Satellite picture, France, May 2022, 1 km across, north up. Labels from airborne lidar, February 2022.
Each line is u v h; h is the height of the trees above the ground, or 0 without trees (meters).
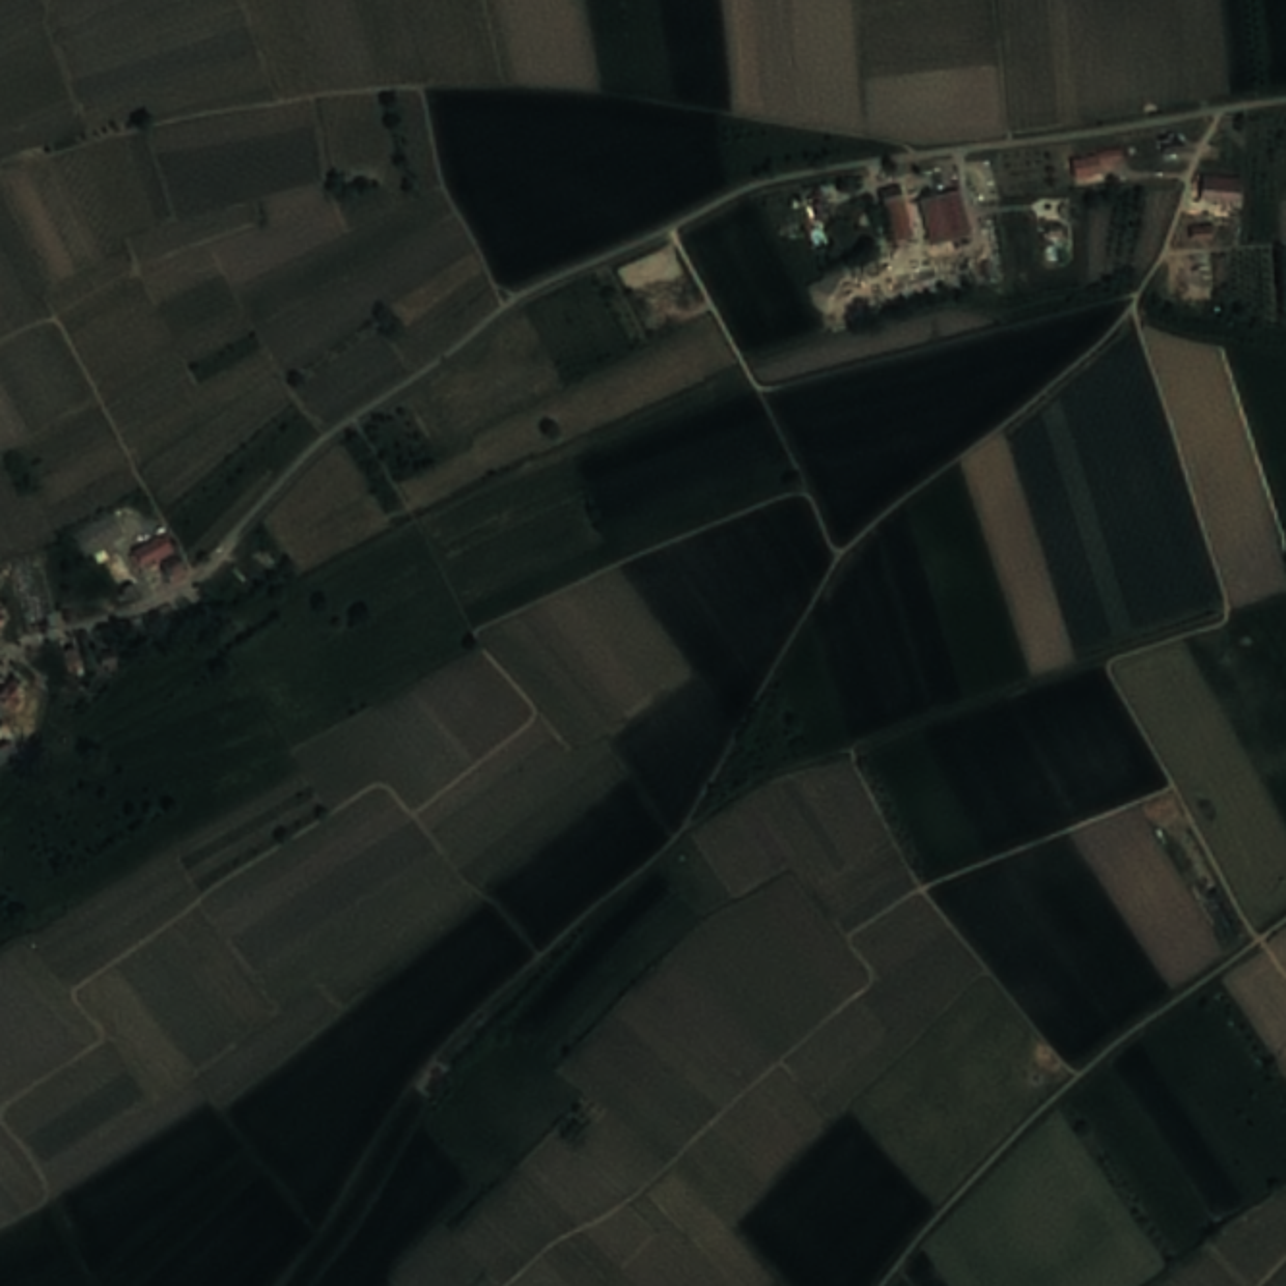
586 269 0
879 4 0
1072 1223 0
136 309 0
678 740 0
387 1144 0
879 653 0
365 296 0
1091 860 0
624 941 0
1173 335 0
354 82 0
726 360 0
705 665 0
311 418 0
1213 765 0
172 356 0
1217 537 0
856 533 0
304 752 0
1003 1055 0
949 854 0
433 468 9
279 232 0
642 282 0
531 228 0
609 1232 0
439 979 0
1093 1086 0
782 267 0
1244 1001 0
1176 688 0
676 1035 0
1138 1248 0
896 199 0
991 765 0
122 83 0
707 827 0
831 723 0
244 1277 0
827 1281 0
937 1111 0
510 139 0
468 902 0
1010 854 0
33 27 0
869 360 0
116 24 0
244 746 0
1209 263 0
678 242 0
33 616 0
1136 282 12
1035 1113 0
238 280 0
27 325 0
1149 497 0
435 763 0
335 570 0
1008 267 0
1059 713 0
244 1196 0
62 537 6
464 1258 0
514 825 0
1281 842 0
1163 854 0
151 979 0
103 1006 0
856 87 0
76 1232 0
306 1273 0
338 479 0
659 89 0
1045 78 0
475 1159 0
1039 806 0
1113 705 0
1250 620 0
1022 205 0
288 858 0
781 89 0
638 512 0
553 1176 0
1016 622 0
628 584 0
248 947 0
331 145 0
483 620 0
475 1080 0
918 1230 0
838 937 0
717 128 0
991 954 0
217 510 0
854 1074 0
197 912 0
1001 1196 0
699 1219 0
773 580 0
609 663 0
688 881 0
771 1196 0
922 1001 0
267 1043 0
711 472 0
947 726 0
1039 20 0
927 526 0
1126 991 0
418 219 0
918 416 0
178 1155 0
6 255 0
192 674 0
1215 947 0
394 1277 0
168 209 0
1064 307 0
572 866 0
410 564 0
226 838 0
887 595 0
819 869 0
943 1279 0
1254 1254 0
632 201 0
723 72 0
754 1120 0
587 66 0
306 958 0
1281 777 0
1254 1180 0
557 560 0
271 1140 0
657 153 0
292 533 0
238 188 0
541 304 0
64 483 0
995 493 0
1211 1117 0
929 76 0
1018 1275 0
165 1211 0
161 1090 0
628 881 0
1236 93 0
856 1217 0
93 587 0
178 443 0
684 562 0
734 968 0
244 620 0
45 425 0
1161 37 0
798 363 0
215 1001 0
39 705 0
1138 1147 0
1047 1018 0
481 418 0
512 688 0
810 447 0
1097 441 0
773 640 0
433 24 0
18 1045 0
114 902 0
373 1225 0
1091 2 0
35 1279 0
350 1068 0
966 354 0
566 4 0
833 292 0
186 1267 0
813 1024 0
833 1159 0
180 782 0
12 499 0
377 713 0
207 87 0
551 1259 0
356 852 0
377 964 0
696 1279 0
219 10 0
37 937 0
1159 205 0
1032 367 0
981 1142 0
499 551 0
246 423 0
